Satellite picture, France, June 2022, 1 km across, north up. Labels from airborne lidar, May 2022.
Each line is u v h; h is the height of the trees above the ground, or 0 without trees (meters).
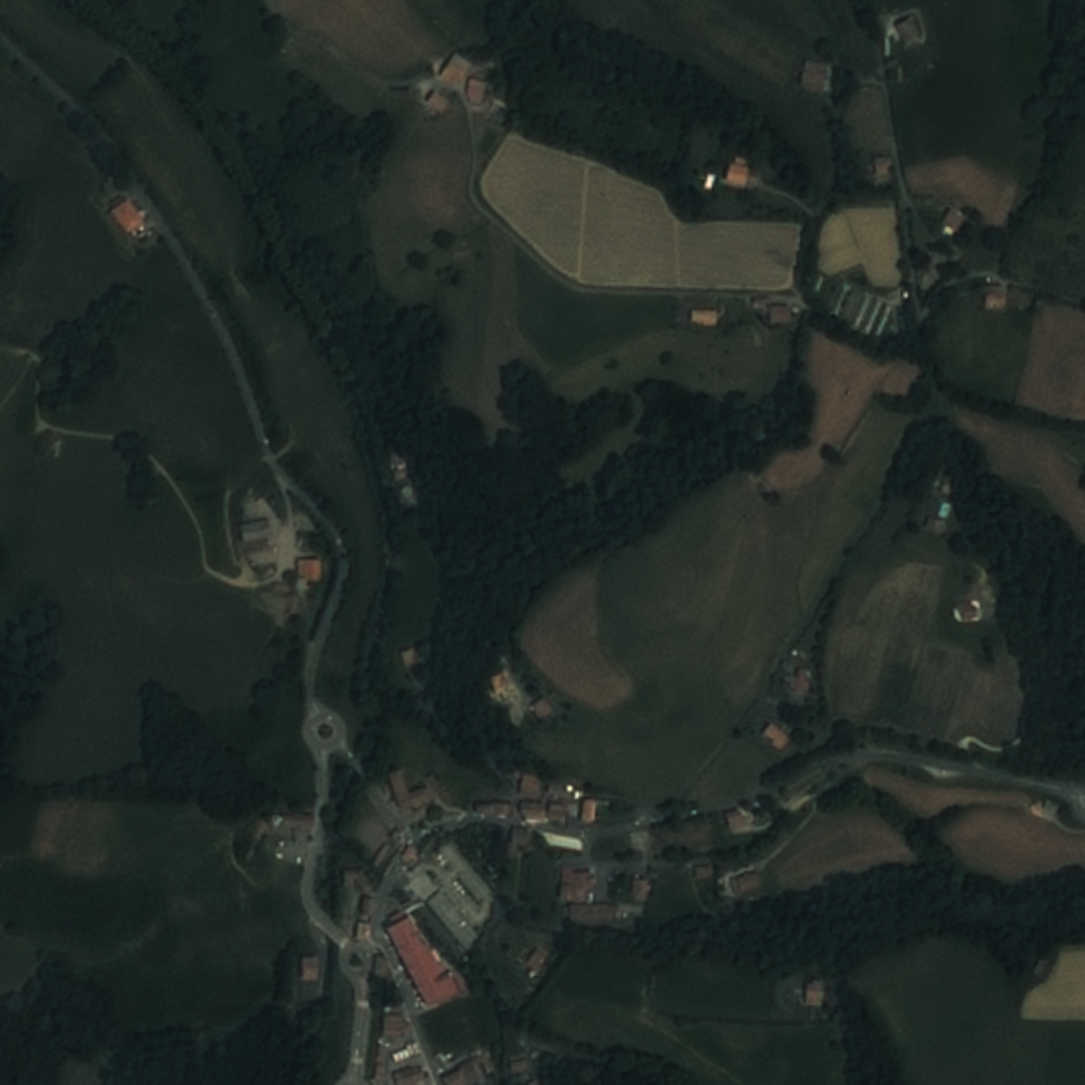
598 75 16
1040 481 0
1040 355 0
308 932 0
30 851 0
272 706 20
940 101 0
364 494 0
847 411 0
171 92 17
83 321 6
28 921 0
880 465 0
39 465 0
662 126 6
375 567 0
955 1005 0
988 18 0
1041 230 0
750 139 20
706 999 0
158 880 0
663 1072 25
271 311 0
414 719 14
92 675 0
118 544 0
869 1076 18
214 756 27
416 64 0
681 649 0
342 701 0
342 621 10
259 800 29
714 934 14
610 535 8
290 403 0
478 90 0
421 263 16
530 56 20
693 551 0
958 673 0
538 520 23
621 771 0
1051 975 0
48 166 0
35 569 0
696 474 14
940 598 0
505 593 24
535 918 12
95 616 0
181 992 0
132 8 20
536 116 8
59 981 21
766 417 18
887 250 0
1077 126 11
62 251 0
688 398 10
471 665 24
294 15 0
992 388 0
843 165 11
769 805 19
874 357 9
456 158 0
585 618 0
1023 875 0
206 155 0
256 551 0
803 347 7
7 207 20
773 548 0
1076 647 10
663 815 15
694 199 20
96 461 0
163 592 0
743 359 0
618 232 0
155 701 22
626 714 0
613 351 0
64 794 15
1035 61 0
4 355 0
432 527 28
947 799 0
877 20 6
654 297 0
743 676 0
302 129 24
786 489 0
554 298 0
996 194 0
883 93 0
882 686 0
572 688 0
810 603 0
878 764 0
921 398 16
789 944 29
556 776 8
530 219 0
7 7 0
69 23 0
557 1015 0
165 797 24
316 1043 18
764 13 0
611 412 25
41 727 0
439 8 0
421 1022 0
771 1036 0
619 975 0
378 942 0
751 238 0
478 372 0
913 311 13
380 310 18
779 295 0
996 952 14
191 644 0
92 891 0
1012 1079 0
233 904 0
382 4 0
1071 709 32
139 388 0
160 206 7
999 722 0
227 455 0
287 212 20
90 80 0
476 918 0
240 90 0
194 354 0
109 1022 22
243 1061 22
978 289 6
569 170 0
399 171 0
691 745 0
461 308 0
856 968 15
